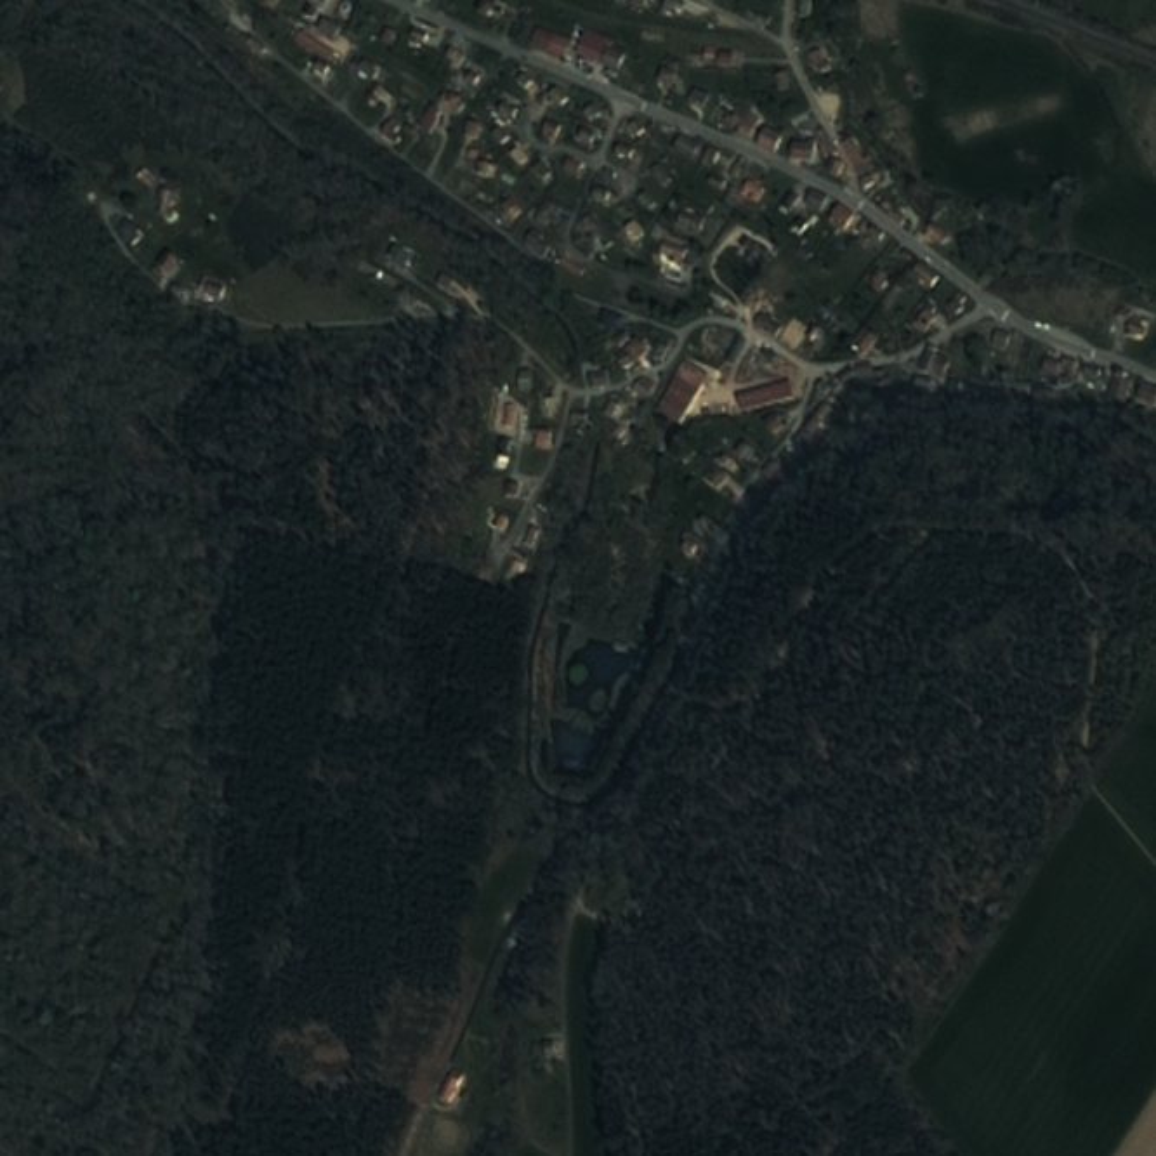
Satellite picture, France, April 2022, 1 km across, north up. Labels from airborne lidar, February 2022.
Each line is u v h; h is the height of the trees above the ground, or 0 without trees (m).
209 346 19
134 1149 26
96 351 19
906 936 23
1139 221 0
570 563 25
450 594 21
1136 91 0
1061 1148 0
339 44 0
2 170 16
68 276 20
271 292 0
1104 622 18
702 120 0
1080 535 22
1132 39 0
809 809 25
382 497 26
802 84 0
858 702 25
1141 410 7
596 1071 0
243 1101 22
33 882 21
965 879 21
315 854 29
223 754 26
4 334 23
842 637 13
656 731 17
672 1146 21
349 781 22
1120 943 0
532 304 23
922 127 0
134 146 0
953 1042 0
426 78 0
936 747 15
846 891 20
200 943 25
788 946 24
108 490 23
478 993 0
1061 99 0
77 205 24
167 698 25
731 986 24
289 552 27
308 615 25
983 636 18
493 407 0
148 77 16
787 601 20
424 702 24
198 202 0
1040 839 23
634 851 20
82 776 17
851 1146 9
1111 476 18
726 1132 27
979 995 0
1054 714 21
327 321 0
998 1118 0
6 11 20
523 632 20
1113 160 0
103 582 7
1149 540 26
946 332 0
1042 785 22
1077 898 0
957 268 0
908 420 31
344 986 26
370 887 33
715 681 20
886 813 26
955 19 0
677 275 0
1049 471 21
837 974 19
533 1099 0
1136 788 0
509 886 0
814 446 0
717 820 24
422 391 22
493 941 0
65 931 17
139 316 8
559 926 10
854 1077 11
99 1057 21
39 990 19
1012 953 0
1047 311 0
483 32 0
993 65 0
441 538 20
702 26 0
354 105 0
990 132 0
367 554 24
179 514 26
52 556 13
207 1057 18
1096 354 0
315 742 28
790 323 0
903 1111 9
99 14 19
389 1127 28
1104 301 0
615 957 31
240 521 35
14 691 21
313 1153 35
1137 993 0
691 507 0
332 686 31
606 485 12
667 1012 25
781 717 23
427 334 17
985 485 25
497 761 19
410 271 0
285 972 22
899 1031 22
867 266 0
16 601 26
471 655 22
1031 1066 0
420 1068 0
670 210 8
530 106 0
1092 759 22
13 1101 22
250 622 30
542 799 17
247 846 33
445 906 26
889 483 22
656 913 24
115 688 22
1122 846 0
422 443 17
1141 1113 0
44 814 20
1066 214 18
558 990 17
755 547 24
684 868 19
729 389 0
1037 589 11
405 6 0
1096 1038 0
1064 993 0
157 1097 26
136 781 25
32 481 21
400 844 19
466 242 19
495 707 17
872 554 9
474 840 31
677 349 0
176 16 21
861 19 0
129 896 24
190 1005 26
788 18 0
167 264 0
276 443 20
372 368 9
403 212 24
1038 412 23
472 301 0
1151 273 0
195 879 22
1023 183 0
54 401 25
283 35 0
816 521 9
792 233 0
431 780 26
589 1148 0
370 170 8
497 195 0
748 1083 24
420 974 24
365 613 27
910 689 23
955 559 12
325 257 15
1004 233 19
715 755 7
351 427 19
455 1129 0
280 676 33
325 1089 0
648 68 0
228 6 0
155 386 21
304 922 34
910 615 11
